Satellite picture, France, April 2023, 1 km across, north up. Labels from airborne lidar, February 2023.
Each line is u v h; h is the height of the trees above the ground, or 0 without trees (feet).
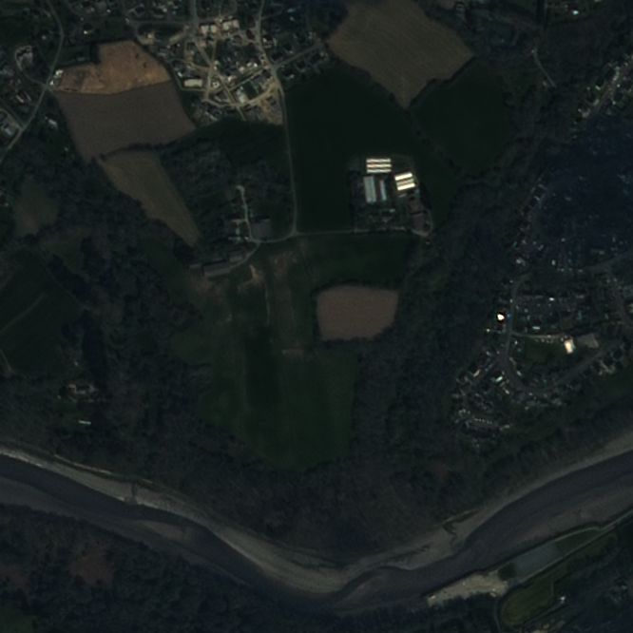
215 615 66
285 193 26
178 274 0
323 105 0
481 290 65
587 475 0
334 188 0
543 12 36
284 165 0
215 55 0
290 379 0
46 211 0
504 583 0
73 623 69
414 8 0
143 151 43
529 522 0
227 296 0
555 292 0
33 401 59
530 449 46
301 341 0
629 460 0
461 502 48
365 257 0
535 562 0
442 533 0
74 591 61
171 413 77
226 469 70
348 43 0
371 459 73
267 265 0
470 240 31
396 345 84
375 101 0
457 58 0
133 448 60
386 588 0
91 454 48
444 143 0
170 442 72
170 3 0
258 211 0
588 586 63
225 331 0
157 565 53
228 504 74
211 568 0
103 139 0
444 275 41
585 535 0
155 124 0
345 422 0
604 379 0
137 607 68
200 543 0
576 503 0
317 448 0
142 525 0
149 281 65
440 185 0
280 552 0
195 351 0
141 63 0
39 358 0
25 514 54
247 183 21
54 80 0
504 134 0
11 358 0
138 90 0
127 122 0
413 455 27
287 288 0
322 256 0
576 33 62
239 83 0
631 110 0
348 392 0
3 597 47
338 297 0
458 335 78
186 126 0
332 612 0
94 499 0
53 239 55
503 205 81
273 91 0
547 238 0
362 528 57
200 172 22
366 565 0
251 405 0
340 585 0
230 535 0
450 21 57
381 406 61
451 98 0
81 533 45
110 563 23
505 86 33
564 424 0
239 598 66
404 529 54
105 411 63
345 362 0
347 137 0
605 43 28
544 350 0
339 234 0
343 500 28
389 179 34
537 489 0
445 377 58
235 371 0
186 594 63
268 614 55
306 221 0
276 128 0
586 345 0
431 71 0
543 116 33
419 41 0
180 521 0
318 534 62
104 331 61
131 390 87
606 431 74
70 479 0
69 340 65
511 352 0
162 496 0
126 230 80
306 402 0
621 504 0
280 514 42
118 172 0
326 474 39
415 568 0
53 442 21
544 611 36
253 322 0
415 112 0
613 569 52
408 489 74
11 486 0
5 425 84
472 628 52
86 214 73
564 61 44
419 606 0
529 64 51
